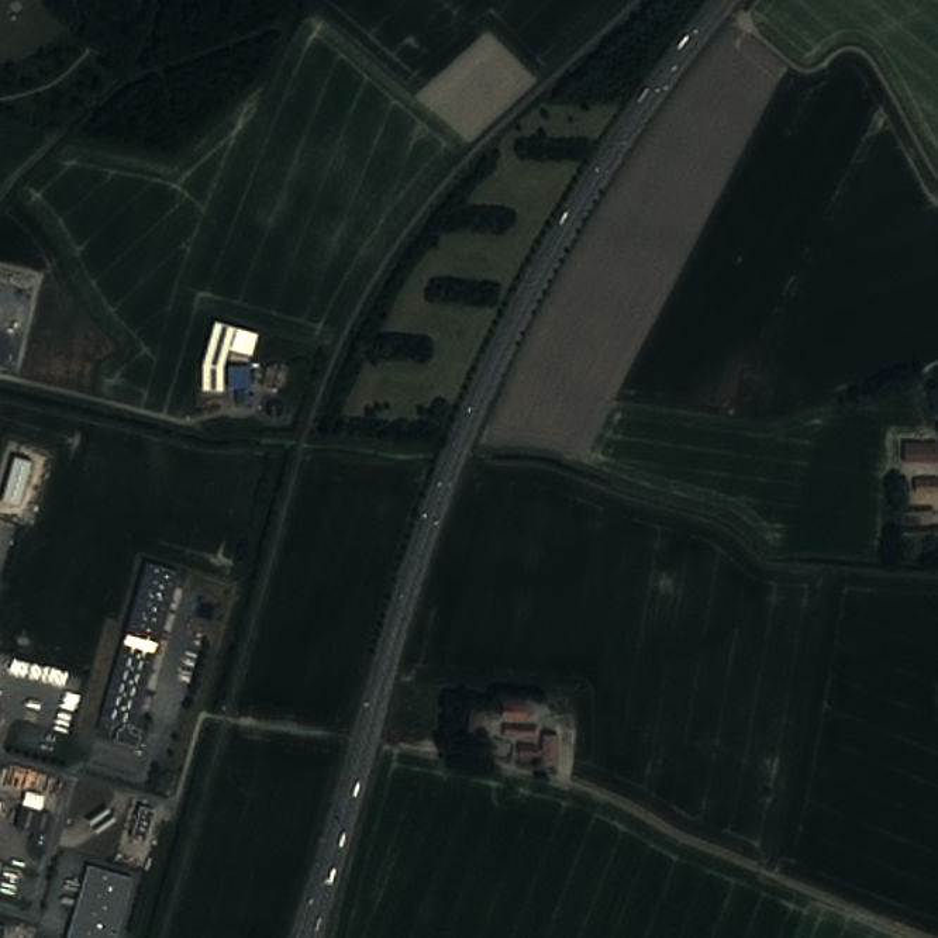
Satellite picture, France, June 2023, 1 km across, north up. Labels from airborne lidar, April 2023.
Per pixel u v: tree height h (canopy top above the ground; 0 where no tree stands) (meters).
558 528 0
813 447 0
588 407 0
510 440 0
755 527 0
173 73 9
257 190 0
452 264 0
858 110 0
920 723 0
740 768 0
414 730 0
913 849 0
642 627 0
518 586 0
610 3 0
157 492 0
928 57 0
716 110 0
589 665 0
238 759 0
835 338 0
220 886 0
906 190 0
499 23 0
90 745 0
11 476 0
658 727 0
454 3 0
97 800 0
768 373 0
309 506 0
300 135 0
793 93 0
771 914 0
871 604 0
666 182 0
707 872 0
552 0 0
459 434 0
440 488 0
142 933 0
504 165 0
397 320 0
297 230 0
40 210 0
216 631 0
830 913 0
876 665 0
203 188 0
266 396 0
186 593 0
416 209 0
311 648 0
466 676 0
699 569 0
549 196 0
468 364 0
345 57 0
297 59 0
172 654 0
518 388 0
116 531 0
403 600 0
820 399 0
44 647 0
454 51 0
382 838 0
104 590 0
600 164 0
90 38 24
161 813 0
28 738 0
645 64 10
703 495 0
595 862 0
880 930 0
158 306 0
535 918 0
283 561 0
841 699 0
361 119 0
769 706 0
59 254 0
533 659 0
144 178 0
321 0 0
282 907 0
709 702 0
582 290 0
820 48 0
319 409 0
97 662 0
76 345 0
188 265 0
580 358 0
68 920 0
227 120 0
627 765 0
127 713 0
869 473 0
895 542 25
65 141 0
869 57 0
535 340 0
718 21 0
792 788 0
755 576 0
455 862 0
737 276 0
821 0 0
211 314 0
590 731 0
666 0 15
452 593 0
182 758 0
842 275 0
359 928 0
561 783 0
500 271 0
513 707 0
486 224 13
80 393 0
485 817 0
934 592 0
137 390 0
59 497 0
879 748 0
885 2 0
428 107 0
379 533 0
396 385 0
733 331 0
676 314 0
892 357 0
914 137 0
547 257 0
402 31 0
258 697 0
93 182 0
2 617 0
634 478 0
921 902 0
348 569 0
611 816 0
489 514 0
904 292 0
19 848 0
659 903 0
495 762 23
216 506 0
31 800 0
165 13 11
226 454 0
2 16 0
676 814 0
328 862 0
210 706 0
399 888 0
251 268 0
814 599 0
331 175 0
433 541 0
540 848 0
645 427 0
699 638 0
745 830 0
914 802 0
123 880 0
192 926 0
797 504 0
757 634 0
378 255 0
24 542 0
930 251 0
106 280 0
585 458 0
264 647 0
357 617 0
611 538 0
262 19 11
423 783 0
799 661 0
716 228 0
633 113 0
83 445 0
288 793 0
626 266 0
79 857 0
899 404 0
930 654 0
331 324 0
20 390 0
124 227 0
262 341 0
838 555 0
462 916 0
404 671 0
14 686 0
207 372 0
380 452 0
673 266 0
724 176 0
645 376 0
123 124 8
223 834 0
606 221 0
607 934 0
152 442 0
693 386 0
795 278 0
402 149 0
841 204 0
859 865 0
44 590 0
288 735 0
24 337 0
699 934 0
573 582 0
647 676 0
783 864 0
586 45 0
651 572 0
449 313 0
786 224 0
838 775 0
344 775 0
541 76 0
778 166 0
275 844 0
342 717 0
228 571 0
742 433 0
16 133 0
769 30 0
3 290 0
